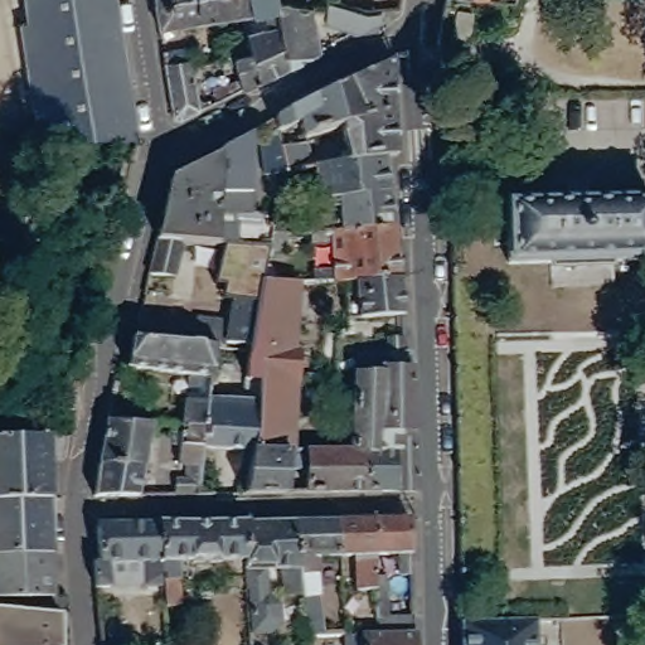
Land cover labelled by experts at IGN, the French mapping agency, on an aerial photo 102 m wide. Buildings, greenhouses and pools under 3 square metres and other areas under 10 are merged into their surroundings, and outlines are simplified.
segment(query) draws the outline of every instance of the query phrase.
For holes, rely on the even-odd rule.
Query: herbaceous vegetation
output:
[[[524,363],[522,355],[499,353],[496,373],[504,484],[501,496],[511,509],[511,514],[501,519],[501,557],[509,572],[529,567]]]
[[[489,454],[491,423],[486,391],[486,335],[494,335],[499,343],[549,340],[552,333],[587,330],[602,333],[605,343],[612,340],[617,345],[622,343],[622,335],[632,328],[632,312],[645,312],[645,254],[630,260],[625,272],[617,272],[615,280],[605,282],[600,290],[557,287],[552,280],[552,270],[547,265],[511,265],[511,194],[529,194],[529,181],[522,176],[511,176],[504,179],[499,189],[504,212],[501,242],[471,242],[469,247],[454,252],[461,547],[466,549],[491,549],[494,501]],[[501,297],[511,287],[522,297],[522,320],[504,333],[501,328],[494,328],[476,317],[474,300],[466,290],[471,277],[476,280],[476,287],[481,292],[491,292],[496,297]]]
[[[506,592],[511,600],[522,595],[559,595],[567,600],[564,617],[539,620],[542,645],[617,645],[617,632],[622,632],[622,622],[627,622],[627,607],[645,587],[645,542],[622,544],[615,554],[615,564],[610,567],[605,577],[595,579],[509,579]]]
[[[45,423],[35,418],[0,416],[0,431],[45,428]]]
[[[53,597],[0,595],[0,605],[58,607],[71,615],[76,610],[73,595],[58,592]]]
[[[645,48],[640,38],[627,40],[622,35],[622,10],[617,5],[605,8],[605,18],[612,25],[612,45],[597,53],[595,58],[590,58],[579,45],[562,53],[557,43],[539,30],[539,35],[534,38],[534,58],[527,63],[539,68],[539,73],[549,76],[557,66],[567,66],[577,73],[625,76],[630,81],[627,86],[645,86]]]
[[[307,431],[300,431],[300,446],[348,446],[358,441],[358,433],[350,431],[345,438],[328,438],[317,431]]]
[[[184,418],[186,401],[181,391],[186,391],[186,373],[154,373],[161,388],[156,398],[159,408],[144,408],[139,418],[154,418]]]
[[[108,191],[113,184],[123,179],[121,171],[93,169],[88,171],[91,186],[96,191]]]
[[[20,131],[13,123],[8,123],[0,131],[0,186],[13,189],[13,159],[23,149],[23,144],[33,139],[35,131]]]
[[[302,615],[300,602],[305,592],[295,595],[292,605],[282,607],[280,630],[270,632],[267,640],[254,645],[282,645],[280,632],[290,632],[292,612]]]
[[[232,23],[212,30],[207,25],[186,25],[164,33],[164,40],[169,40],[176,50],[189,53],[199,45],[202,53],[209,53],[209,35],[242,35],[252,33],[249,23]]]
[[[0,209],[0,257],[8,257],[13,262],[20,254],[30,254],[35,249],[35,237],[30,224],[18,219],[10,212],[10,207]]]
[[[202,569],[197,574],[184,572],[184,597],[176,607],[171,607],[169,600],[156,600],[154,595],[121,600],[121,617],[108,620],[106,640],[98,640],[96,645],[154,645],[179,632],[186,622],[189,610],[204,607],[207,602],[212,602],[219,615],[217,645],[239,645],[242,577],[232,577],[229,587],[222,592],[207,590],[204,595],[191,595],[191,577],[197,582],[204,582],[212,577],[209,569]]]
[[[282,244],[285,260],[267,265],[275,277],[312,277],[312,249],[300,252],[300,247],[290,249],[290,244]]]

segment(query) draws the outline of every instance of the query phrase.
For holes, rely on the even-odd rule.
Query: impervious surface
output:
[[[317,315],[330,310],[338,312],[338,285],[317,285],[310,290],[310,305]]]
[[[239,385],[237,380],[239,373],[249,370],[252,348],[242,343],[237,345],[237,363],[224,365],[224,370],[219,373],[219,385],[214,388],[214,393],[242,393],[244,385]]]
[[[265,176],[265,191],[280,197],[285,186],[295,186],[302,176],[317,179],[317,161],[338,159],[350,151],[345,128],[335,128],[325,136],[317,136],[310,154],[297,159],[290,169]]]
[[[139,131],[144,131],[134,141],[134,156],[131,161],[121,164],[121,171],[123,179],[126,194],[139,194],[139,202],[146,209],[149,229],[144,227],[136,237],[128,237],[121,244],[121,260],[126,262],[118,270],[116,285],[108,290],[108,300],[118,305],[116,335],[113,340],[106,338],[91,343],[91,360],[98,368],[98,375],[93,380],[88,378],[76,383],[73,431],[68,436],[55,438],[58,501],[53,504],[53,534],[58,544],[66,544],[66,552],[53,557],[53,585],[58,587],[58,592],[73,595],[76,610],[71,615],[73,645],[96,645],[98,640],[106,640],[108,620],[98,612],[98,592],[98,522],[154,519],[166,514],[348,517],[403,514],[406,509],[416,517],[413,532],[418,537],[418,547],[413,554],[403,554],[411,569],[411,577],[406,579],[406,592],[398,595],[391,590],[391,597],[396,600],[393,610],[401,610],[403,615],[413,612],[416,622],[378,622],[370,617],[358,617],[355,632],[325,627],[328,617],[338,617],[338,595],[335,587],[323,585],[320,572],[302,574],[305,592],[300,602],[302,615],[310,617],[310,625],[315,630],[312,645],[368,645],[373,630],[413,627],[418,627],[421,632],[421,645],[464,645],[448,640],[448,617],[456,612],[459,595],[469,590],[469,582],[464,579],[464,574],[469,574],[469,564],[464,559],[466,549],[461,547],[454,252],[454,244],[446,244],[431,232],[426,217],[433,199],[451,181],[443,176],[441,169],[441,156],[448,151],[448,141],[441,139],[441,128],[431,131],[431,116],[426,113],[421,128],[378,131],[378,136],[401,136],[406,141],[401,149],[375,146],[378,156],[388,156],[388,166],[401,169],[393,199],[401,199],[398,222],[403,229],[403,242],[401,252],[396,252],[393,260],[403,260],[403,270],[380,277],[380,287],[383,310],[403,310],[403,315],[378,315],[375,320],[365,320],[365,315],[358,312],[355,305],[350,305],[348,310],[348,328],[350,335],[360,335],[363,340],[345,348],[345,360],[338,363],[338,368],[343,368],[345,388],[350,391],[353,401],[358,401],[360,388],[355,375],[360,368],[375,368],[383,363],[406,365],[406,431],[413,438],[413,484],[416,489],[421,489],[421,499],[408,496],[401,501],[398,496],[385,494],[239,501],[234,496],[252,486],[252,469],[260,438],[249,438],[249,443],[239,451],[217,451],[212,461],[217,464],[222,486],[214,496],[197,496],[164,496],[166,491],[176,489],[181,479],[186,479],[184,469],[174,471],[174,459],[181,456],[184,446],[184,431],[176,431],[174,441],[151,433],[149,464],[144,474],[149,486],[144,486],[144,496],[106,501],[96,499],[96,474],[108,416],[139,418],[144,408],[113,393],[113,383],[121,373],[121,365],[131,363],[136,338],[141,333],[209,338],[212,328],[197,317],[194,310],[217,310],[219,317],[229,317],[232,312],[232,292],[222,275],[222,262],[227,252],[224,244],[217,244],[214,252],[184,252],[176,272],[161,270],[166,242],[161,239],[161,229],[176,169],[217,151],[227,141],[252,128],[267,126],[267,121],[277,118],[282,108],[310,96],[312,91],[325,88],[343,76],[358,73],[391,55],[398,55],[403,86],[413,91],[416,101],[421,103],[421,96],[428,88],[428,83],[466,45],[464,40],[456,35],[456,18],[461,13],[471,13],[476,18],[486,5],[476,0],[408,0],[413,10],[408,13],[403,28],[393,38],[348,38],[335,48],[325,48],[320,60],[307,63],[305,68],[270,83],[265,91],[254,86],[247,96],[232,98],[219,113],[204,111],[199,118],[186,121],[181,126],[176,123],[176,116],[166,111],[164,103],[159,68],[159,45],[164,40],[164,33],[154,25],[151,18],[151,10],[156,10],[154,0],[121,0],[123,55],[131,86],[126,106],[134,113],[139,113]]]
[[[194,78],[207,78],[202,88],[212,91],[227,86],[229,81],[239,81],[239,71],[232,68],[232,63],[209,63],[194,68]]]
[[[557,156],[542,171],[542,176],[529,181],[529,194],[579,189],[640,189],[645,194],[645,98],[595,101],[595,106],[590,106],[587,113],[579,111],[579,101],[569,101],[567,106],[569,131],[564,139],[572,149]]]
[[[620,527],[610,532],[592,537],[577,552],[572,564],[544,564],[544,552],[559,549],[567,542],[572,542],[587,522],[587,517],[602,501],[627,491],[627,484],[620,484],[595,494],[579,509],[569,529],[557,539],[544,542],[544,517],[562,494],[590,481],[597,481],[610,469],[612,459],[620,456],[622,433],[615,431],[610,451],[592,471],[567,479],[567,461],[585,446],[590,446],[597,433],[592,385],[597,380],[610,378],[610,398],[612,403],[620,403],[622,375],[627,373],[622,368],[587,375],[587,368],[592,363],[602,360],[602,355],[590,355],[577,365],[577,370],[567,380],[554,383],[559,368],[572,353],[605,348],[605,343],[602,333],[587,330],[552,333],[549,340],[499,343],[499,353],[522,355],[524,363],[529,567],[509,572],[509,579],[595,579],[605,577],[610,567],[602,562],[585,564],[587,554],[595,552],[600,544],[620,539],[630,529],[635,529],[635,517],[625,519]],[[537,385],[537,353],[557,353],[554,363],[547,370],[544,385]],[[567,391],[577,383],[582,385],[579,398],[552,416],[547,436],[539,441],[539,401],[549,393]],[[557,486],[549,494],[542,494],[542,451],[554,443],[559,423],[574,416],[577,411],[585,411],[587,431],[559,454]]]
[[[380,15],[385,10],[396,10],[401,0],[343,0],[340,8],[358,15]]]
[[[630,81],[625,76],[577,73],[567,66],[557,66],[549,76],[554,83],[572,86],[627,86]]]
[[[605,0],[605,8],[617,5],[622,10],[622,35],[627,40],[640,38],[645,48],[645,0]]]
[[[534,58],[534,38],[539,35],[539,30],[539,0],[527,0],[519,33],[509,35],[506,45],[466,45],[471,55],[481,53],[481,58],[494,71],[496,91],[489,98],[494,108],[501,106],[517,91],[529,91],[529,83],[539,73],[539,68],[527,63]]]

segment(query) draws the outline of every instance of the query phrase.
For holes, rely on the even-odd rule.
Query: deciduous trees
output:
[[[242,43],[242,35],[209,35],[209,53],[202,53],[199,45],[189,53],[186,63],[194,68],[209,63],[232,63],[232,53]]]
[[[212,461],[204,464],[204,486],[199,486],[197,496],[214,496],[222,486],[217,464]]]
[[[645,645],[645,587],[627,607],[627,622],[622,622],[622,632],[617,632],[617,645]]]
[[[355,305],[353,282],[338,285],[338,312],[330,310],[317,315],[317,323],[328,325],[330,333],[340,333],[348,328],[348,310],[350,305]]]
[[[184,431],[184,418],[154,418],[151,433],[174,441],[176,431]]]
[[[579,45],[590,58],[595,58],[597,53],[612,45],[612,25],[605,18],[605,8],[605,0],[539,0],[539,30],[557,43],[562,53]]]
[[[464,579],[469,582],[469,590],[459,595],[456,612],[461,620],[474,622],[499,620],[501,615],[539,620],[564,617],[567,600],[559,595],[522,595],[511,600],[506,592],[509,579],[509,572],[501,557],[491,549],[466,549],[464,559],[469,564],[469,574],[464,574]]]
[[[88,378],[93,380],[98,375],[98,368],[91,360],[91,343],[106,338],[113,340],[116,335],[118,305],[108,300],[108,290],[116,285],[118,270],[126,262],[121,260],[121,244],[128,237],[136,237],[144,227],[149,229],[146,209],[139,202],[139,194],[126,194],[123,179],[113,184],[108,191],[96,191],[91,186],[88,171],[93,169],[121,171],[121,164],[131,161],[134,156],[134,141],[88,144],[73,126],[66,123],[55,123],[48,131],[35,131],[33,139],[23,144],[23,149],[13,159],[13,189],[0,186],[0,209],[10,207],[10,212],[18,219],[30,224],[35,237],[35,249],[30,254],[20,254],[13,262],[8,257],[0,257],[0,416],[35,418],[45,423],[45,428],[55,438],[68,436],[73,431],[76,383]]]
[[[189,610],[186,622],[179,632],[154,645],[217,645],[219,615],[212,602],[207,602],[204,607]]]
[[[338,191],[333,191],[325,181],[317,179],[302,176],[295,186],[285,186],[280,197],[265,191],[257,212],[262,212],[267,222],[277,224],[280,229],[292,232],[300,239],[300,247],[300,252],[312,249],[315,232],[335,229],[333,217],[338,209]]]
[[[627,491],[635,489],[640,496],[645,496],[645,443],[640,443],[640,451],[630,456],[620,484],[627,484]]]
[[[310,625],[310,617],[302,615],[292,612],[290,632],[280,632],[282,645],[312,645],[315,630]]]
[[[504,333],[522,320],[522,297],[511,287],[501,297],[496,297],[491,292],[481,292],[476,287],[476,280],[471,277],[466,290],[474,300],[476,317],[494,328],[501,328]]]
[[[345,438],[350,431],[353,406],[358,401],[353,401],[350,391],[345,388],[343,368],[338,368],[323,353],[312,350],[310,365],[302,375],[300,411],[305,418],[310,418],[307,431],[317,431],[328,438]]]
[[[121,617],[121,600],[108,592],[98,592],[98,612],[108,620]]]
[[[227,562],[212,564],[209,569],[212,577],[204,582],[197,582],[191,577],[191,595],[204,595],[207,590],[222,592],[229,587],[232,577],[242,577],[242,569],[232,569],[232,564]]]
[[[441,156],[441,169],[443,176],[451,181],[433,199],[426,217],[431,232],[446,244],[454,244],[454,252],[469,247],[471,242],[501,242],[504,212],[499,189],[504,179],[511,176],[522,176],[529,181],[542,176],[542,171],[557,156],[572,149],[564,139],[569,131],[567,106],[559,108],[557,98],[567,93],[572,86],[554,83],[549,76],[539,73],[529,83],[529,91],[517,91],[501,106],[494,108],[489,98],[496,91],[494,71],[481,58],[481,53],[471,55],[466,45],[428,83],[428,88],[421,96],[421,103],[426,113],[431,116],[431,131],[441,128],[441,139],[448,141],[448,151]]]
[[[645,383],[645,312],[632,312],[632,328],[622,335],[622,343],[617,345],[622,368],[627,373],[637,383]]]
[[[527,0],[514,0],[511,5],[499,3],[499,8],[486,5],[476,18],[474,33],[464,40],[466,45],[506,45],[509,35],[519,33]]]
[[[161,388],[154,373],[136,370],[131,363],[121,365],[121,373],[113,383],[113,393],[144,408],[159,408],[156,398]]]

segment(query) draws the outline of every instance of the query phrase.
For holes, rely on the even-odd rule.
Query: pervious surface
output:
[[[23,113],[30,106],[30,91],[35,88],[28,83],[28,73],[20,66],[18,55],[15,28],[25,25],[25,8],[18,0],[0,0],[0,131],[8,123],[13,123],[15,113]]]

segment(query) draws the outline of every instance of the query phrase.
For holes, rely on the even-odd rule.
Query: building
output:
[[[53,585],[53,557],[66,552],[66,544],[58,544],[53,534],[53,504],[58,501],[55,438],[45,428],[0,431],[0,595],[53,597],[58,592],[58,587]]]
[[[418,547],[418,537],[413,532],[416,517],[406,509],[403,514],[348,517],[166,514],[154,519],[98,522],[98,592],[108,592],[121,600],[154,595],[156,600],[169,600],[171,607],[176,607],[184,597],[184,572],[197,574],[202,569],[209,569],[212,564],[227,562],[232,564],[232,569],[242,569],[242,577],[239,645],[254,645],[267,640],[270,632],[280,630],[282,607],[292,605],[295,595],[305,592],[302,574],[320,572],[323,557],[328,552],[335,552],[335,557],[348,557],[350,579],[358,582],[355,597],[348,602],[348,612],[358,617],[370,617],[378,622],[416,622],[413,612],[403,615],[401,610],[393,610],[396,600],[391,597],[391,590],[391,577],[406,579],[411,577],[411,569],[403,554],[413,554]]]
[[[380,277],[403,270],[403,260],[393,260],[396,252],[401,252],[403,242],[403,229],[398,222],[401,199],[393,199],[401,169],[388,166],[388,156],[378,156],[375,146],[401,149],[406,141],[401,136],[378,136],[378,131],[421,128],[426,113],[421,103],[416,101],[413,91],[403,86],[398,55],[391,55],[358,73],[343,76],[325,88],[312,91],[310,96],[282,108],[277,118],[267,121],[267,126],[252,128],[227,141],[217,151],[176,169],[161,229],[161,239],[166,242],[161,270],[176,272],[184,252],[214,252],[217,244],[224,244],[227,252],[222,262],[222,275],[232,292],[232,312],[229,317],[219,317],[217,310],[194,310],[197,317],[212,328],[209,338],[141,333],[136,338],[131,363],[136,370],[154,373],[186,373],[186,391],[181,391],[186,401],[184,418],[184,431],[184,446],[181,456],[174,459],[174,471],[184,469],[186,479],[181,479],[176,489],[166,491],[164,496],[197,496],[199,486],[204,486],[204,464],[212,461],[217,451],[239,451],[249,443],[249,438],[260,438],[252,469],[252,486],[234,496],[239,501],[385,494],[398,496],[401,501],[408,496],[421,499],[421,489],[416,489],[413,484],[413,438],[406,431],[406,365],[383,363],[375,368],[360,368],[355,375],[360,388],[358,401],[353,406],[350,431],[358,433],[358,441],[348,446],[300,446],[300,431],[307,431],[310,418],[305,418],[300,411],[302,375],[310,365],[312,350],[323,353],[325,335],[330,333],[328,325],[317,323],[317,315],[310,305],[310,290],[317,285],[338,285],[353,282],[355,305],[358,312],[365,315],[365,320],[375,320],[378,315],[403,315],[403,310],[383,310],[380,287]],[[325,136],[335,128],[345,128],[350,151],[338,159],[317,161],[317,179],[325,181],[333,191],[338,191],[338,209],[333,217],[335,229],[315,232],[312,249],[312,277],[275,277],[267,265],[285,260],[282,244],[290,244],[290,249],[300,247],[300,239],[292,232],[280,229],[277,224],[267,222],[262,212],[257,212],[265,191],[265,176],[290,169],[297,159],[310,154],[317,136]],[[252,348],[249,370],[239,373],[237,380],[239,385],[244,385],[242,393],[214,393],[214,388],[219,385],[219,373],[224,370],[224,365],[237,363],[237,345],[242,343]]]
[[[18,55],[20,66],[28,73],[28,83],[35,88],[30,91],[30,106],[23,113],[15,113],[13,123],[20,131],[35,131],[48,131],[55,123],[66,123],[73,126],[88,144],[134,141],[144,131],[139,131],[139,113],[134,113],[126,106],[131,86],[123,55],[121,0],[18,0],[25,8],[25,25],[15,28]]]
[[[144,474],[149,464],[151,433],[154,418],[139,418],[108,416],[96,474],[96,499],[106,501],[144,496],[144,486],[149,486]]]
[[[71,615],[58,607],[0,605],[0,645],[73,645]]]
[[[499,8],[499,3],[511,5],[514,0],[476,0],[486,5]]]
[[[501,615],[499,620],[474,622],[461,620],[456,612],[448,617],[448,640],[464,645],[542,645],[539,620]]]
[[[242,43],[232,53],[232,63],[232,68],[239,71],[239,81],[229,81],[227,86],[212,91],[202,88],[207,78],[194,78],[194,68],[186,63],[189,53],[176,50],[169,40],[164,40],[159,45],[159,68],[164,103],[166,111],[176,116],[176,123],[181,126],[186,121],[199,118],[204,111],[219,113],[232,98],[247,96],[254,86],[265,91],[270,83],[305,68],[307,63],[320,60],[325,48],[335,48],[348,38],[393,38],[403,28],[408,13],[413,10],[408,0],[401,0],[396,10],[385,10],[380,15],[358,15],[340,8],[343,0],[154,0],[156,10],[151,10],[151,18],[154,25],[164,33],[186,25],[207,25],[212,30],[232,23],[249,23],[252,33],[242,35]]]
[[[461,13],[456,18],[456,35],[464,40],[474,33],[476,18],[471,13]]]
[[[421,645],[421,632],[418,627],[413,627],[373,630],[368,645]]]
[[[605,282],[615,280],[617,272],[625,272],[630,260],[645,254],[645,194],[640,189],[579,189],[529,194],[511,194],[511,265],[547,265],[552,270],[552,280],[557,287],[600,290]]]

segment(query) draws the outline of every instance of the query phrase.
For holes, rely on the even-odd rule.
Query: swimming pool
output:
[[[406,579],[391,577],[391,590],[398,595],[406,592]]]

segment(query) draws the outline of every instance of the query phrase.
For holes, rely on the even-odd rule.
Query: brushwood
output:
[[[645,86],[627,86],[572,86],[567,93],[557,98],[559,108],[567,106],[569,101],[579,101],[579,111],[587,113],[590,106],[595,106],[595,101],[645,98]]]
[[[557,353],[537,353],[537,385],[544,385],[547,370],[554,363]]]
[[[637,383],[627,373],[622,375],[620,403],[612,403],[610,398],[610,378],[597,380],[592,385],[597,433],[590,446],[585,446],[567,461],[567,479],[592,471],[610,451],[615,431],[622,433],[620,456],[612,459],[610,469],[597,481],[590,481],[562,494],[544,517],[544,542],[557,539],[569,529],[579,509],[595,494],[620,484],[630,456],[640,451],[640,443],[645,443],[645,383]]]
[[[323,557],[320,572],[323,585],[335,587],[338,595],[338,617],[328,617],[325,627],[355,632],[358,617],[348,612],[348,602],[355,597],[358,582],[350,579],[348,557],[335,557],[335,552],[328,552]]]
[[[559,454],[587,431],[585,411],[577,411],[574,416],[559,423],[554,443],[542,451],[542,494],[549,494],[557,486]]]
[[[577,383],[567,391],[549,393],[539,401],[539,441],[547,436],[552,416],[579,398],[582,385]]]
[[[494,501],[491,549],[501,557],[501,519],[511,514],[511,509],[501,496],[504,484],[496,373],[499,353],[499,343],[494,335],[486,335],[486,391],[491,423],[489,454]]]
[[[605,348],[572,353],[559,368],[554,383],[567,380],[577,370],[577,365],[590,355],[602,355],[602,360],[592,363],[587,368],[587,375],[622,368],[617,345],[612,340],[605,343]]]
[[[363,340],[360,335],[350,335],[348,328],[340,333],[330,333],[325,335],[323,353],[338,368],[338,363],[345,360],[345,348]]]
[[[627,491],[602,501],[587,517],[587,522],[572,542],[567,542],[559,549],[544,552],[544,564],[572,564],[577,552],[592,537],[610,532],[620,527],[625,519],[635,517],[635,529],[630,529],[620,539],[600,544],[595,552],[587,554],[585,564],[602,562],[610,567],[615,564],[615,554],[622,544],[645,542],[645,496],[640,496],[635,489]]]

